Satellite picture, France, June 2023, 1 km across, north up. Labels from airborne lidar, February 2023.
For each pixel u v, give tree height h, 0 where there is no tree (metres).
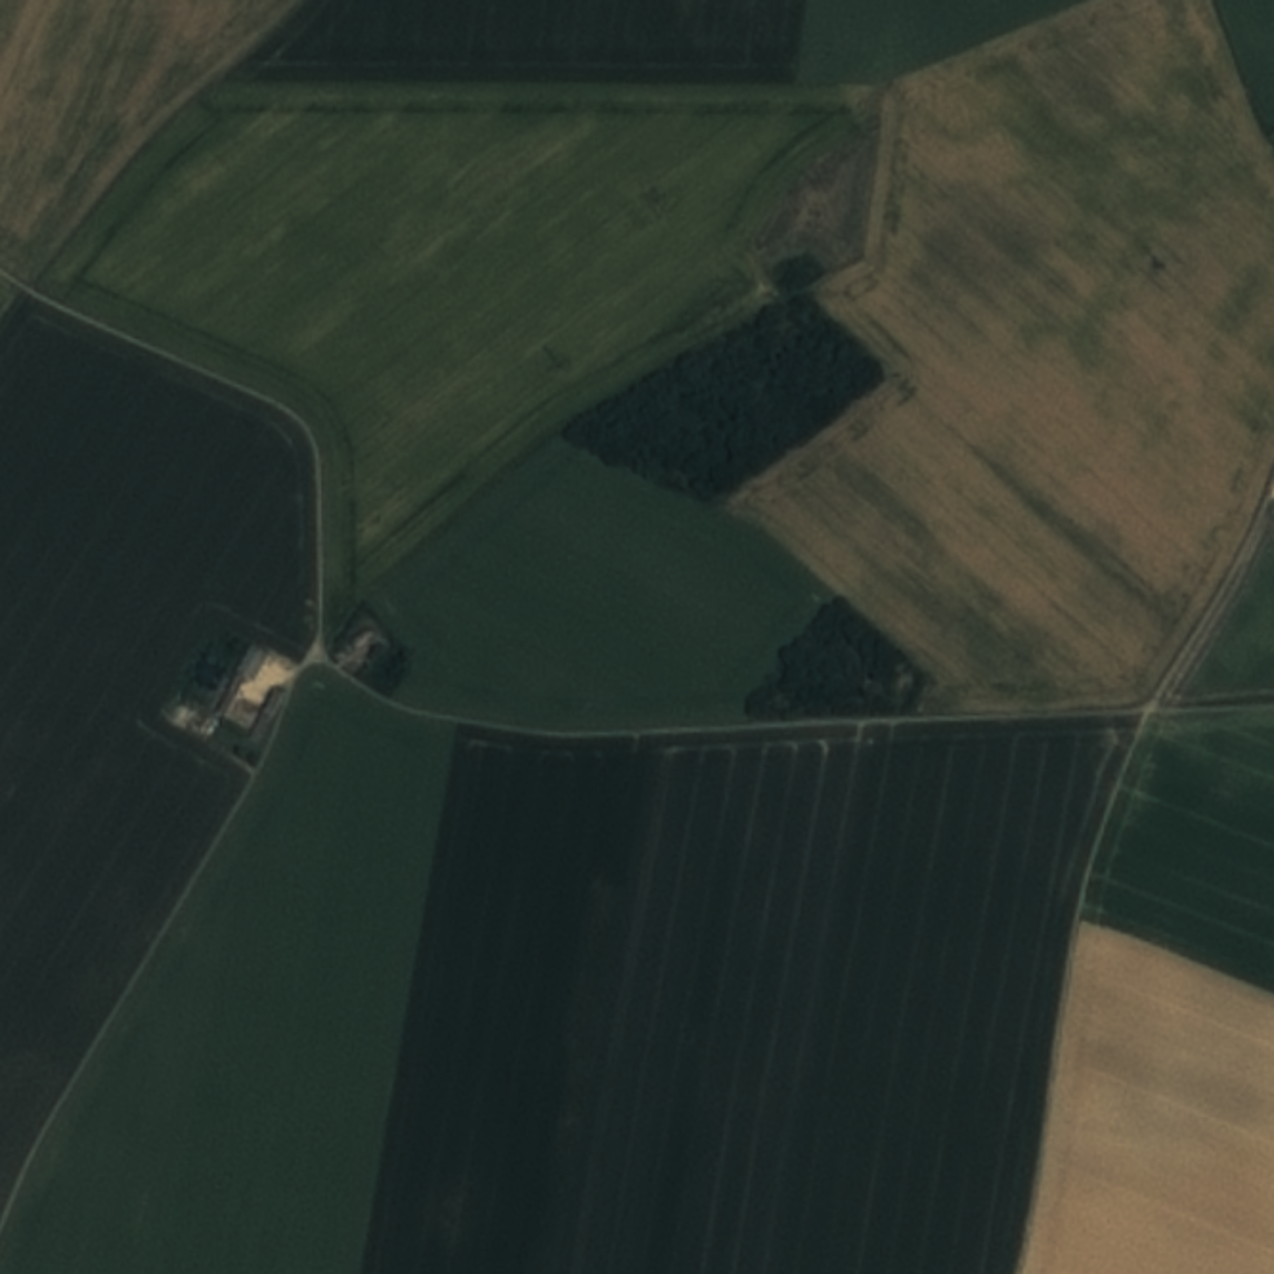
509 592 0
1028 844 0
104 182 0
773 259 0
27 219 0
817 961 0
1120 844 0
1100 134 0
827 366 16
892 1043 0
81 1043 0
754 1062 0
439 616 0
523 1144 0
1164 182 0
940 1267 0
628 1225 0
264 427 0
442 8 0
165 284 0
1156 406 0
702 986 0
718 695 0
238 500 0
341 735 0
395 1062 0
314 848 0
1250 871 0
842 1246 0
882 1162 0
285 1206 0
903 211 0
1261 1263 0
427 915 0
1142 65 0
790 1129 0
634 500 0
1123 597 0
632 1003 0
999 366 0
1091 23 0
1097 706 0
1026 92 0
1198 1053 0
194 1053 0
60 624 0
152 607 0
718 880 0
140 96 0
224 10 0
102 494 0
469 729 0
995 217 0
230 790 0
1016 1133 0
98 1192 0
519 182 0
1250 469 0
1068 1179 0
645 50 0
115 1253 0
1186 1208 0
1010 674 0
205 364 0
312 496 0
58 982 0
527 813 0
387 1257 0
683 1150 0
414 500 0
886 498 0
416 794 0
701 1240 0
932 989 0
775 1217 0
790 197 0
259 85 0
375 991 0
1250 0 0
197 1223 0
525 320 0
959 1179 0
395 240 0
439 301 0
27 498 0
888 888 0
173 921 0
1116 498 0
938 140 0
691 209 0
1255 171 0
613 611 0
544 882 0
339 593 0
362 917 0
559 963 0
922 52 0
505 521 0
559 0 0
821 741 0
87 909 0
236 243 0
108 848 0
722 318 0
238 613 0
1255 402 0
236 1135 0
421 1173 0
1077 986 0
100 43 0
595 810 0
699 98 0
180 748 0
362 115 0
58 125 0
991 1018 0
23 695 0
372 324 0
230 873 0
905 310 0
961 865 0
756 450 18
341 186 0
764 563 0
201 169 0
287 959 0
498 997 0
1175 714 0
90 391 0
